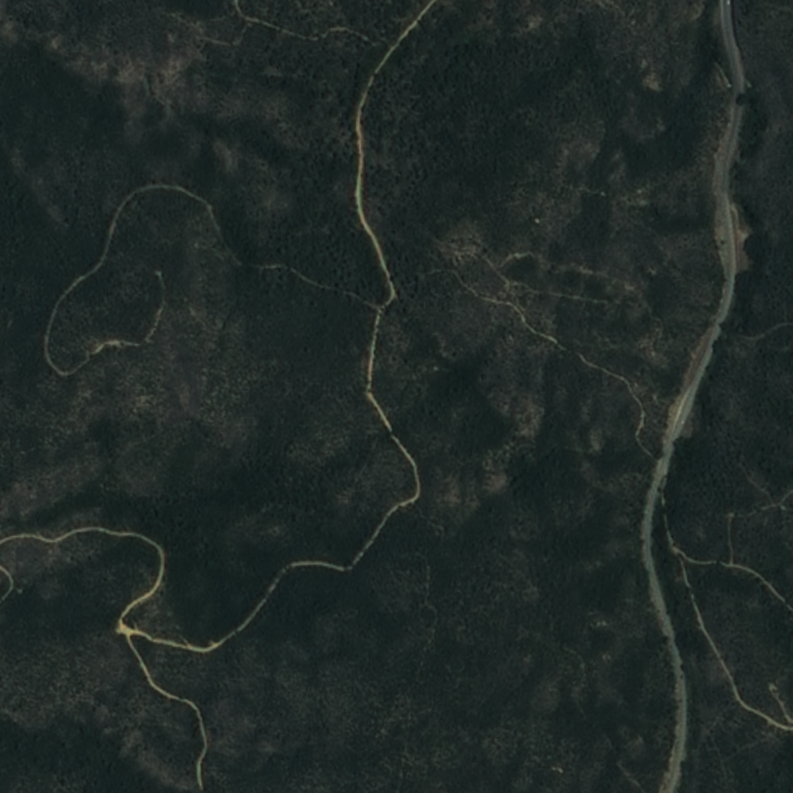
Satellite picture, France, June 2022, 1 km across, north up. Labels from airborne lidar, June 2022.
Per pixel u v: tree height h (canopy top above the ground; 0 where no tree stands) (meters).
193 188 7
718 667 0
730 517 0
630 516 7
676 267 7
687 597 7
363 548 8
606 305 7
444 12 8
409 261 10
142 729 7
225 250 5
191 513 6
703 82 6
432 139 8
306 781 6
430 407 8
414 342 8
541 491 6
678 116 7
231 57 6
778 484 6
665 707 9
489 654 9
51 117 6
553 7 7
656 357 0
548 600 10
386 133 10
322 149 7
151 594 0
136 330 5
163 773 0
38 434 5
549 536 10
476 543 6
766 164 0
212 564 10
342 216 8
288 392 7
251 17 6
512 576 7
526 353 6
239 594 6
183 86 0
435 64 9
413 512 7
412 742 6
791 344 9
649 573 9
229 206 6
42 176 0
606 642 7
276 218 7
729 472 6
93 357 6
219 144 0
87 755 7
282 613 6
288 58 8
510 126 8
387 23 10
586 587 8
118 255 7
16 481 6
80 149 7
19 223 8
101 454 6
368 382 6
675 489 8
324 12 6
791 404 7
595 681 7
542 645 7
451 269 7
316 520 7
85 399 5
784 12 6
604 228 10
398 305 7
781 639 9
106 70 0
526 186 8
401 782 6
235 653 6
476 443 8
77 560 6
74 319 7
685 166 7
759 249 14
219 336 5
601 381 6
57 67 11
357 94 10
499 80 9
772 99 0
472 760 7
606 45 7
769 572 6
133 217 6
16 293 7
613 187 6
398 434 7
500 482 0
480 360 6
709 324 6
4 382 8
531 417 0
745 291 11
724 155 0
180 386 0
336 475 7
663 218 9
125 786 8
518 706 7
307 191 9
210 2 6
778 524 6
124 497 6
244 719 0
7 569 0
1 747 8
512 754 7
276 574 9
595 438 0
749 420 6
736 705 6
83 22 8
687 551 6
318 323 6
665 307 7
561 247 7
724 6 0
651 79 0
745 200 9
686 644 8
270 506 7
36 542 0
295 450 6
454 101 7
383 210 7
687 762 7
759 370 7
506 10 9
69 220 8
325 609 6
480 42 6
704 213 6
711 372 6
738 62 0
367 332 7
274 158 7
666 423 7
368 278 8
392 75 10
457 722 7
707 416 6
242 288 6
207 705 7
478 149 9
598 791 7
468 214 7
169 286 7
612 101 8
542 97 8
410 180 8
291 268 7
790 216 6
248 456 7
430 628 6
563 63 14
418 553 6
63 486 0
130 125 0
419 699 6
